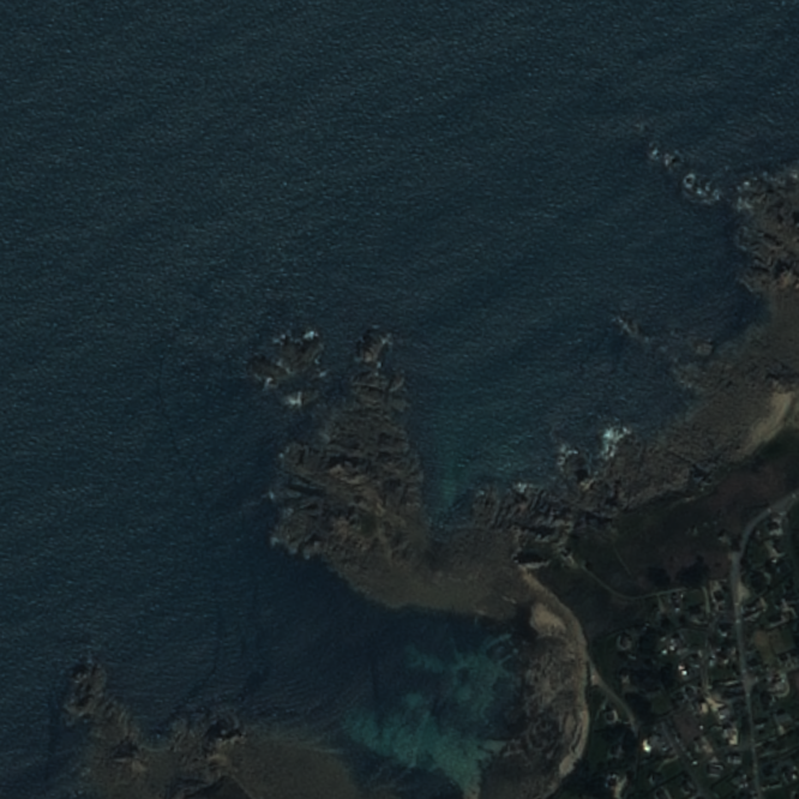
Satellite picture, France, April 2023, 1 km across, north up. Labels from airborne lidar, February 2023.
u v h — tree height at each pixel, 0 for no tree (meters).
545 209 0
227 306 0
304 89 0
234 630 0
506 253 0
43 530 0
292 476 0
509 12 0
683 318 0
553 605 0
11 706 0
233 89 0
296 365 0
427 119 0
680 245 0
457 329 0
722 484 0
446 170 0
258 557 0
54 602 0
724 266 0
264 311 0
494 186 0
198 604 0
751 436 0
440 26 0
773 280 0
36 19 0
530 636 0
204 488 0
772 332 0
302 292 0
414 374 0
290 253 0
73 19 0
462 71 0
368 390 0
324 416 0
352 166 0
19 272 0
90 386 0
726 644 5
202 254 0
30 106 0
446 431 0
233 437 0
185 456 0
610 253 0
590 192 0
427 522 0
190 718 0
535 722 0
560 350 0
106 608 0
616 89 0
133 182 0
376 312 0
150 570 0
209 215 0
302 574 0
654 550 0
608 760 0
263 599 0
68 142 0
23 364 0
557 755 0
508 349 0
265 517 0
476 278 0
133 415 0
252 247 0
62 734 0
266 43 0
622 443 0
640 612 0
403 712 0
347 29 0
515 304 0
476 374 0
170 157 0
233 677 0
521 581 0
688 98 0
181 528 0
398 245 0
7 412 0
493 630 0
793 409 0
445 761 0
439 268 0
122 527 0
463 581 0
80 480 0
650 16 0
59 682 0
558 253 0
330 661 0
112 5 0
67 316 0
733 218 0
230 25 0
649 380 0
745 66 0
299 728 0
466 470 0
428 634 0
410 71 0
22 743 0
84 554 0
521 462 0
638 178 0
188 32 0
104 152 0
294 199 0
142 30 0
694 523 0
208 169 0
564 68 0
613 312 0
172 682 0
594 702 0
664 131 0
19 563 0
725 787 0
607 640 0
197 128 0
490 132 0
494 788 0
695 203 0
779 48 0
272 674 0
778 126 0
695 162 0
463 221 0
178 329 0
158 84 0
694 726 0
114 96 0
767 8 0
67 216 0
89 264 0
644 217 0
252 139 0
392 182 0
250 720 0
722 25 0
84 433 0
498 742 0
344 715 0
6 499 0
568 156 0
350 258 0
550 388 0
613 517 0
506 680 0
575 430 0
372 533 0
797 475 0
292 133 0
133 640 0
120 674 0
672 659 0
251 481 0
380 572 0
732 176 0
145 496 0
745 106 0
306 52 0
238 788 0
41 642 0
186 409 0
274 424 0
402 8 0
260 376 0
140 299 0
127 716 0
